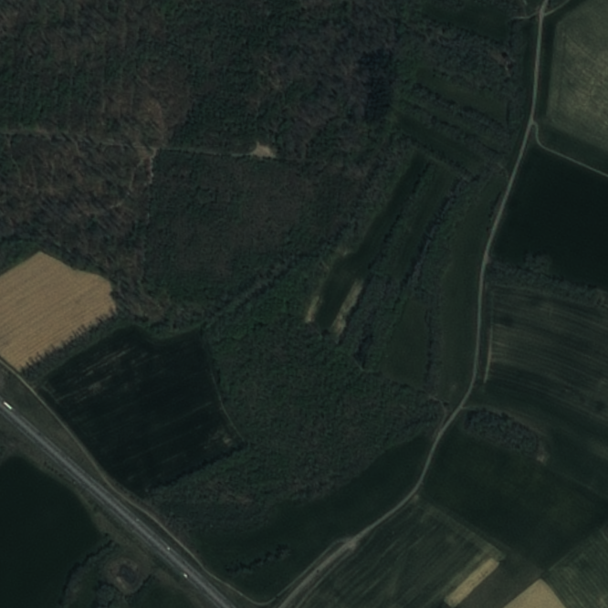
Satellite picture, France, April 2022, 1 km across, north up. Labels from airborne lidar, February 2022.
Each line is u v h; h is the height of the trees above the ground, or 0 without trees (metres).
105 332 25
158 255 10
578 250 0
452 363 0
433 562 0
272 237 6
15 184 35
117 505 0
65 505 0
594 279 0
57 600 0
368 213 27
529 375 0
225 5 10
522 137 0
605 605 0
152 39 9
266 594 0
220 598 0
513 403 0
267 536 0
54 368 24
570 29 0
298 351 16
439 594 0
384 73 27
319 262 25
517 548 0
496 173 22
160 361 0
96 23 28
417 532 0
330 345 18
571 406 0
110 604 7
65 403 0
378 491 0
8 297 0
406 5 30
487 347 0
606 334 0
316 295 25
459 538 0
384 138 27
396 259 12
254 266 10
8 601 0
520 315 0
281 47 16
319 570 0
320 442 16
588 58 0
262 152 0
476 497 0
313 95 11
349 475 20
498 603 0
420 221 0
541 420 0
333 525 0
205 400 0
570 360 0
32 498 0
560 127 0
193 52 8
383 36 34
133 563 0
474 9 0
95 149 33
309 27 12
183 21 13
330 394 15
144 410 0
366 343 18
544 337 0
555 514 0
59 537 0
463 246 0
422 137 0
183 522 9
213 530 10
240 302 29
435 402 11
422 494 0
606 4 0
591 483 0
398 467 0
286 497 20
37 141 10
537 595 0
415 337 0
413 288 19
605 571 0
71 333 0
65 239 8
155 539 0
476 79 23
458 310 0
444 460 0
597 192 0
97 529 0
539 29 0
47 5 34
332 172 10
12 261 21
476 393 0
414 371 0
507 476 0
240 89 9
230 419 0
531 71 0
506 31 0
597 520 0
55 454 0
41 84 11
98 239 34
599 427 0
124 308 28
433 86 0
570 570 0
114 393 0
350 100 26
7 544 0
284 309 23
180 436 0
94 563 13
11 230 33
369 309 25
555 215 0
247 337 12
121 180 32
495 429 21
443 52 23
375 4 34
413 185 0
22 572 0
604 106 0
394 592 0
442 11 0
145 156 0
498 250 0
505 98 21
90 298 0
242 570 12
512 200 0
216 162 7
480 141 17
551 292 16
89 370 0
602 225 0
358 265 0
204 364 0
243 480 15
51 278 0
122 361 0
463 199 19
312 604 0
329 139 16
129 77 9
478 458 0
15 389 0
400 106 23
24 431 0
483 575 0
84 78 11
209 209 7
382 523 0
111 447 0
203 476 18
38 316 0
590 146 0
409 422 13
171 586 0
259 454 16
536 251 0
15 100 11
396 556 0
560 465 0
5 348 0
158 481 0
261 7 10
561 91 0
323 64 34
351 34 28
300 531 0
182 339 0
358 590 0
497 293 0
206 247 7
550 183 0
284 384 19
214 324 25
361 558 0
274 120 13
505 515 0
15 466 0
